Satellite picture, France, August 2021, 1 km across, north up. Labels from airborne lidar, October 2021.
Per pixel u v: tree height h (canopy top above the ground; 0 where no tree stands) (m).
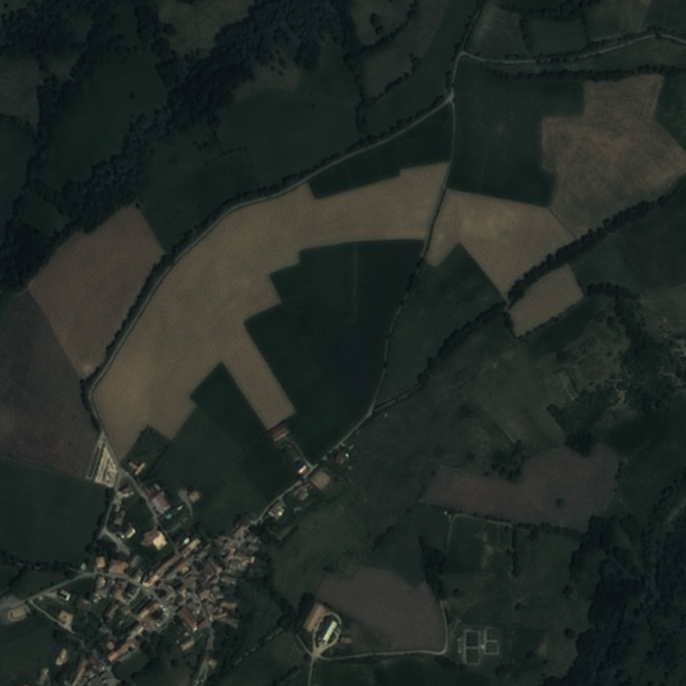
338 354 0
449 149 0
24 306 0
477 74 0
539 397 0
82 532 0
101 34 22
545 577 0
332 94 0
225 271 0
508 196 0
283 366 0
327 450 0
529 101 0
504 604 0
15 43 18
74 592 7
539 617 0
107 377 0
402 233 0
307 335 0
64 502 0
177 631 0
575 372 0
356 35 18
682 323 0
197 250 0
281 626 15
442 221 0
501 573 0
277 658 0
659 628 10
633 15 0
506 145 0
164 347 0
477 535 0
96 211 15
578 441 11
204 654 8
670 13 0
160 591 8
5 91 0
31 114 0
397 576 0
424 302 0
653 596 15
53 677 0
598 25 0
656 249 0
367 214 0
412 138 0
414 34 0
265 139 0
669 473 0
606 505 0
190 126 10
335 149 0
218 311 0
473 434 0
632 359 15
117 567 0
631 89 0
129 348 0
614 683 0
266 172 0
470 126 0
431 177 0
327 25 12
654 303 0
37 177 12
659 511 17
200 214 0
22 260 18
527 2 0
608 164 0
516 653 0
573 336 0
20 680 0
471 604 0
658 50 0
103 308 0
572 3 11
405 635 0
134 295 0
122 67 0
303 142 0
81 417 0
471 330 13
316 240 0
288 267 0
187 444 0
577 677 19
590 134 0
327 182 0
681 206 0
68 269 0
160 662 12
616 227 14
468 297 0
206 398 0
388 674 0
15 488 0
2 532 0
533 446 0
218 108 16
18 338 0
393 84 9
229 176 0
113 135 0
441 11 0
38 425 0
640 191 0
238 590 8
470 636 0
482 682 0
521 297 11
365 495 0
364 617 0
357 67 14
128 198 7
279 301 0
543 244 0
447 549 0
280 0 10
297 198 0
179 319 0
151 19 11
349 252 0
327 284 0
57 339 0
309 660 11
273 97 0
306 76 0
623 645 16
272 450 0
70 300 0
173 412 0
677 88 0
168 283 0
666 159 0
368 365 0
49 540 0
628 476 0
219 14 0
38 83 0
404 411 0
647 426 0
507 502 0
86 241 0
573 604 0
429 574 14
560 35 0
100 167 14
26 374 0
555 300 0
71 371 0
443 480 0
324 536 0
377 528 0
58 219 0
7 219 0
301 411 0
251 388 0
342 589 0
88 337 0
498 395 0
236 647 10
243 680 0
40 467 0
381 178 0
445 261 0
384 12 0
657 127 0
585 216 0
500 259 0
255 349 0
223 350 0
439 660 10
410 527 0
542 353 0
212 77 21
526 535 0
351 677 0
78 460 0
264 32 10
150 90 0
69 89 20
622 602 17
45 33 17
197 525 6
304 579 0
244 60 10
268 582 12
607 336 0
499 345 0
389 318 0
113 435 0
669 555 10
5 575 0
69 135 0
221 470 0
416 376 0
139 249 0
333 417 0
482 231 0
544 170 0
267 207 0
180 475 0
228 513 0
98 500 0
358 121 8
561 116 0
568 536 11
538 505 0
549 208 0
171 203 0
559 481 0
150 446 0
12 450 0
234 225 0
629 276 0
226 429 0
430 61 0
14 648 0
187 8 0
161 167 0
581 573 15
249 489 0
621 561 15
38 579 0
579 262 0
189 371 0
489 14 0
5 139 0
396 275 0
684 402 0
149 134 16
